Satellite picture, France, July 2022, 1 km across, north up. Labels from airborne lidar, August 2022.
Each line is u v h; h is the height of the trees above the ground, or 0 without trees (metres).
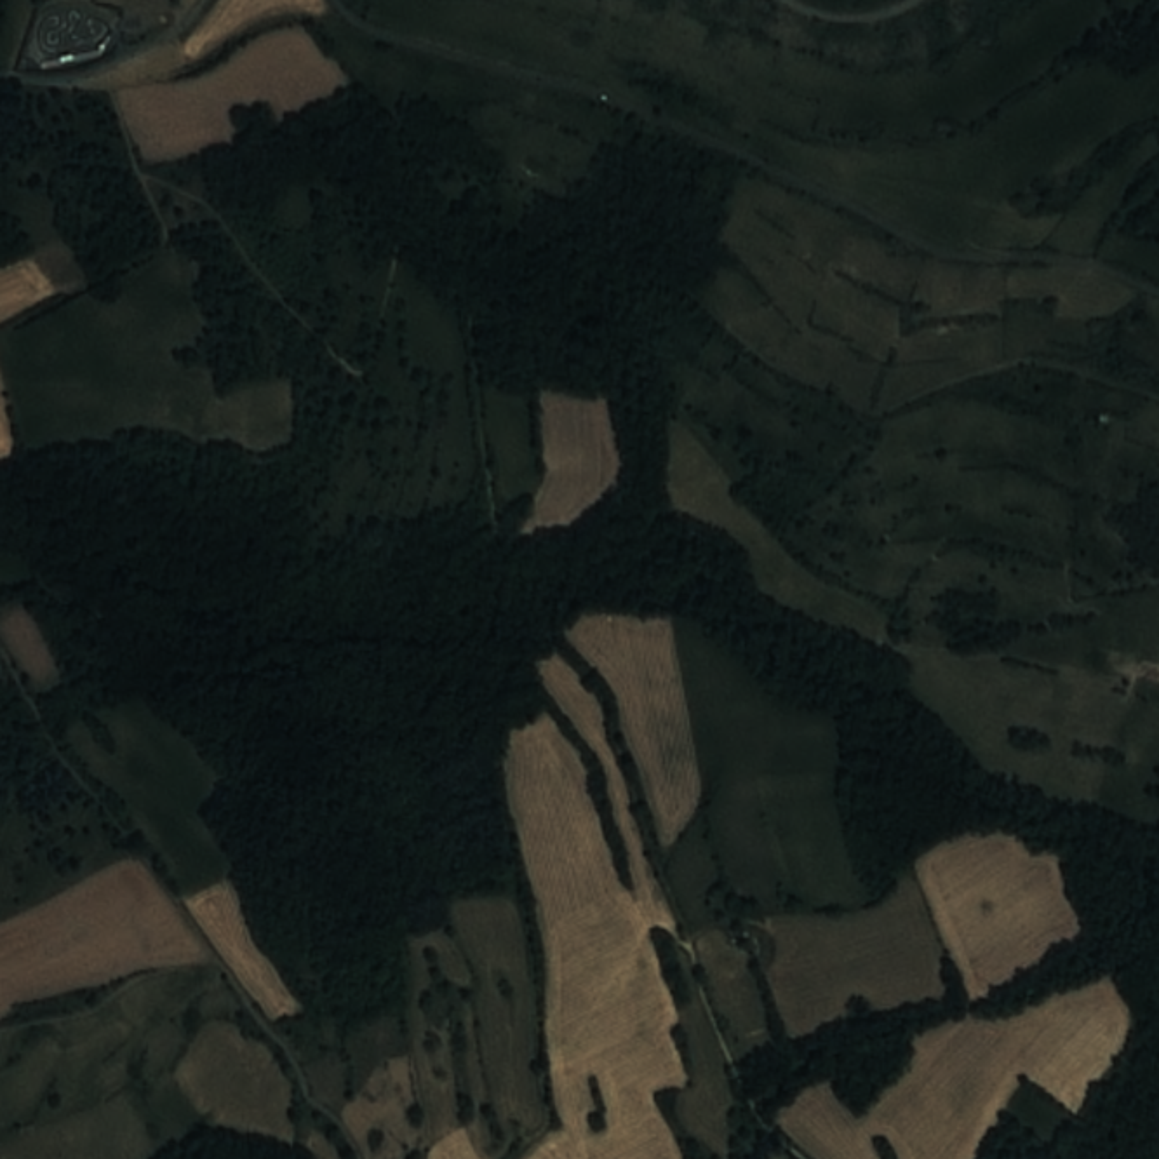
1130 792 0
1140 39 13
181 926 0
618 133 8
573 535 18
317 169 11
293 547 8
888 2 0
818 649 22
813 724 0
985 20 6
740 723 0
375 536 12
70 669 17
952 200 0
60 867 10
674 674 0
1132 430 0
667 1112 6
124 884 0
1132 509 7
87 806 7
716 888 8
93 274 11
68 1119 0
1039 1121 0
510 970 0
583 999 0
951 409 0
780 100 0
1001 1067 0
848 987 0
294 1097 9
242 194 15
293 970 5
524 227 12
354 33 0
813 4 0
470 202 17
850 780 13
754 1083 18
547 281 19
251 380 10
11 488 26
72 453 14
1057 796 0
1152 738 0
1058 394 0
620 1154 0
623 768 12
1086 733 0
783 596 0
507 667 17
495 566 15
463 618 21
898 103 0
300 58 0
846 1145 0
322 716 18
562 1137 0
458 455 0
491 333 18
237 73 0
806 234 0
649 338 14
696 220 16
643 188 18
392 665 18
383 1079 0
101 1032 0
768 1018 9
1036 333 0
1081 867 16
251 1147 21
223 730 21
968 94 0
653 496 17
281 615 25
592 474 0
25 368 0
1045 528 0
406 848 21
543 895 0
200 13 0
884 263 0
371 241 9
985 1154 12
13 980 0
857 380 0
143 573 30
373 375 11
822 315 0
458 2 0
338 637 31
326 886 20
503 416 0
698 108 7
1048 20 0
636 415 19
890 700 32
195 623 20
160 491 12
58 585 22
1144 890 22
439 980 8
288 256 6
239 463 8
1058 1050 0
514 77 0
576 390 18
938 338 0
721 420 0
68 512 21
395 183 15
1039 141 0
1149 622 0
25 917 0
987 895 0
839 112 0
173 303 0
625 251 11
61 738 15
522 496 7
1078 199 7
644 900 0
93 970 0
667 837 0
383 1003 9
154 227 10
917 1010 13
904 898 0
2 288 0
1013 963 0
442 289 9
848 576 6
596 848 0
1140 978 13
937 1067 0
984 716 0
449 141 13
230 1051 0
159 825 0
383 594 15
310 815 20
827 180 0
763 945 0
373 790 23
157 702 17
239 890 9
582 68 0
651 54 0
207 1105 0
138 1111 0
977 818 25
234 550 13
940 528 0
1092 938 15
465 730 16
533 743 0
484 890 11
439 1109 0
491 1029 0
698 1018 0
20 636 0
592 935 0
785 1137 8
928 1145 0
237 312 12
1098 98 0
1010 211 0
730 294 0
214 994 0
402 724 17
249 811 9
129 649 16
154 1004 0
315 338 10
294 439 12
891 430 0
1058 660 0
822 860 0
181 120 0
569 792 0
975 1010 15
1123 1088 13
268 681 27
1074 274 0
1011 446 0
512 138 0
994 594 7
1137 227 18
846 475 10
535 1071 11
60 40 0
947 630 8
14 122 16
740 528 0
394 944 11
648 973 0
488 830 14
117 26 0
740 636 26
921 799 18
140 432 11
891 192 0
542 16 0
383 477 10
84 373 0
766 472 10
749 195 0
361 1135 0
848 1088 15
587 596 26
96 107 10
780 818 0
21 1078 0
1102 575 0
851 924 0
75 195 7
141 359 0
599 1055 0
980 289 0
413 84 0
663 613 20
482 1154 0
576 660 13
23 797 15
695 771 0
